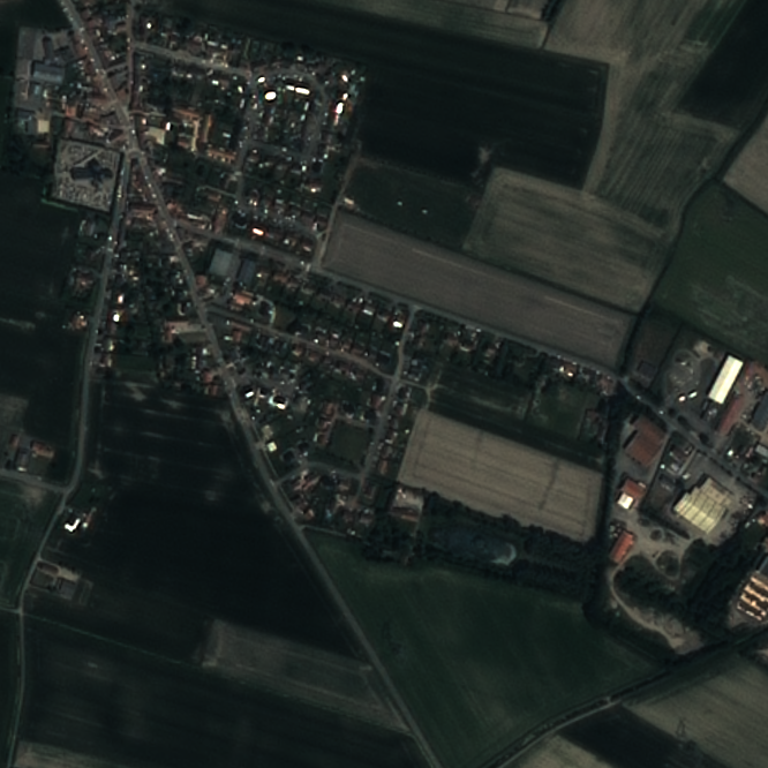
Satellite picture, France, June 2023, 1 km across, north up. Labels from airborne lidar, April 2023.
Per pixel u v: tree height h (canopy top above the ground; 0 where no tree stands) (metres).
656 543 0
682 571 0
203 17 0
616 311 0
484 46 0
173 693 0
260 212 0
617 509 0
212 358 0
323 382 0
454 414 0
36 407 0
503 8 0
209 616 0
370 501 0
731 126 0
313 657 0
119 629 0
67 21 0
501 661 0
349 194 0
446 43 0
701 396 0
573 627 0
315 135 0
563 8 0
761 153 0
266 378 0
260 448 0
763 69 0
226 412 0
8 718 0
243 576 0
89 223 0
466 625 0
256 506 0
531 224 0
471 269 0
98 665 0
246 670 0
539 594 0
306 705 0
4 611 0
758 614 0
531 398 0
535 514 0
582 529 0
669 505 0
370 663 0
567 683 0
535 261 0
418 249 0
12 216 0
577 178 0
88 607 0
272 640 0
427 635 0
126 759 0
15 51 0
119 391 0
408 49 0
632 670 0
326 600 0
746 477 0
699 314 0
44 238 0
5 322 0
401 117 0
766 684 0
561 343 0
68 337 0
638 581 8
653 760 0
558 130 0
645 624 0
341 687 0
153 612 0
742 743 0
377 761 0
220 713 0
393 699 0
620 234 0
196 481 0
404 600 0
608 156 0
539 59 0
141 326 0
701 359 0
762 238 0
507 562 0
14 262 0
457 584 0
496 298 0
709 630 10
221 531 0
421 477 0
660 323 0
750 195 0
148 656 0
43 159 0
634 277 0
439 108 0
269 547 0
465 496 0
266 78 0
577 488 0
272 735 0
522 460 0
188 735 0
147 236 0
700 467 0
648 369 0
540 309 0
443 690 0
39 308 0
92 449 0
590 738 0
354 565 0
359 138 0
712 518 0
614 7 0
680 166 0
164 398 0
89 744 0
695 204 0
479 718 0
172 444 0
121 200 0
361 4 0
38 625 0
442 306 0
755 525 0
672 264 0
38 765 0
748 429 0
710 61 0
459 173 0
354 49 0
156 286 7
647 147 0
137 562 0
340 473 0
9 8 0
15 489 0
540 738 0
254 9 0
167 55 0
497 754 0
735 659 0
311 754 0
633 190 0
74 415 0
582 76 0
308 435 0
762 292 0
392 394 0
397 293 0
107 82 0
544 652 0
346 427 0
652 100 0
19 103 0
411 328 0
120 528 0
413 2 0
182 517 0
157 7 0
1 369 0
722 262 0
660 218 0
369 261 0
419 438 0
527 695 0
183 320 0
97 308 0
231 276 0
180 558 0
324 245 0
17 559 0
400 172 0
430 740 0
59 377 0
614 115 0
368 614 0
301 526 0
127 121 0
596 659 0
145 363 0
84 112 0
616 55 0
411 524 0
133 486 0
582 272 0
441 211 0
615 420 15
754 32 0
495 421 0
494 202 0
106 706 0
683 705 0
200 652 0
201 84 0
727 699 0
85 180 0
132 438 0
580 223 0
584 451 0
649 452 0
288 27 0
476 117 0
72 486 0
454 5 0
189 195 0
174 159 0
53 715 0
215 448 0
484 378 0
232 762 0
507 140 0
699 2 0
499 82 0
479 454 0
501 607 0
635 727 0
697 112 0
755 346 0
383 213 0
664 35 0
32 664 0
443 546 0
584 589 19
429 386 0
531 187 0
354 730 0
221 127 0
